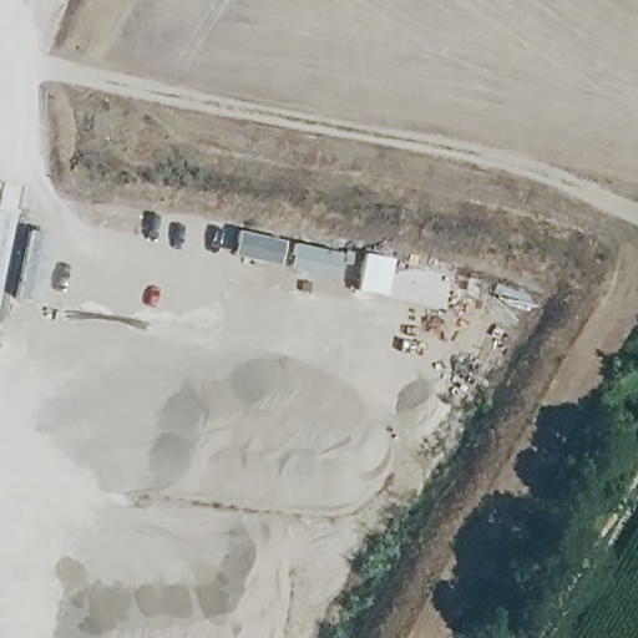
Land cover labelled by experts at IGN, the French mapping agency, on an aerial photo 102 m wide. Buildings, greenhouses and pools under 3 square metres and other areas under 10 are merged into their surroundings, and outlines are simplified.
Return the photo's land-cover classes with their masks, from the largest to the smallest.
<instances>
[{"label":"pervious surface","instance_id":"1","mask_svg":"<svg viewBox=\"0 0 638 638\"><path fill-rule=\"evenodd\" d=\"M85 0H0V638H317V628L321 621L339 623L341 606L336 596L344 591V586L349 588L361 583L356 571H361V566L379 546L376 531H384L386 526L384 518H379V511L384 506L411 508L421 496L434 469L451 456V451L459 444V436L464 431L461 401H471L474 391L481 386L501 384L503 361L511 359L516 344L526 339L536 326L548 294L543 292V287L533 282L528 272L503 269L501 254H488L479 259L454 254L449 262H439L426 259L411 244L396 242L379 254L396 259V272L431 267L434 272H439L441 282L451 284L446 307L426 312L424 307H411L406 299L366 292L361 287L366 257L376 254L384 247L381 242H366L364 247L346 244L341 247V254L354 252V264L346 267L341 282H331L319 272L297 269L294 264L287 267L257 257H239L234 249L239 244V227L227 224L219 214L167 212L157 219L155 212H145L142 217L135 207L127 204H90L62 197L50 179L47 120L40 115L42 82H67L75 87H92L100 92H112L132 100H150L209 115L279 125L299 132H319L344 140H361L411 152H426L434 157L464 160L491 169H503L513 177H526L548 184L573 199L588 202L596 209L621 217L626 222L638 219V202L618 197L608 187L593 184L563 169L548 167L546 162H538L528 155L483 147L479 142H464L454 137L366 122H344L339 117L321 112L239 102L222 95L197 92L184 85H167L160 80L132 77L112 70H95L80 62L55 57L50 47H62L67 42ZM638 513V476L631 483H626L618 508L601 526V536L606 538V543L613 546L628 518Z\"/></svg>","mask_w":638,"mask_h":638},{"label":"plowed land","instance_id":"2","mask_svg":"<svg viewBox=\"0 0 638 638\"><path fill-rule=\"evenodd\" d=\"M55 57L80 62L95 70H112L132 77L160 80L167 85H184L197 92L222 95L239 102L321 112L339 117L344 122H366L454 137L464 142H479L483 147L528 155L538 162H546L548 167L563 169L593 184L608 187L618 197L638 202V0H85L67 42L62 47H50Z\"/></svg>","mask_w":638,"mask_h":638},{"label":"herbaceous vegetation","instance_id":"3","mask_svg":"<svg viewBox=\"0 0 638 638\"><path fill-rule=\"evenodd\" d=\"M40 115L47 120L50 179L62 197L90 204H127L135 207L142 217L145 212H155L157 219L167 212L219 214L227 224L239 227L244 224V219H252L262 232L341 247L346 244V237L329 234V229H321L314 222L304 219L299 207L282 197L254 199L247 194L199 192L150 182L117 184L105 179H87V172L82 167L72 169L70 164V157L75 152H112L117 160L127 164L155 167L157 162H164L172 155L174 145H179L189 164L207 167L217 174L249 177L254 182H272L277 177L287 187L297 184L304 189L312 179H317L321 192H334L336 187H366L379 194L389 189L396 199L404 197L406 189H421L431 194V212L459 214V204L469 202L486 209H503L508 217L548 222L553 224L551 234L556 239H568L573 232H581L596 234L603 244H608L611 239L621 244V252L613 262V272H608L606 282L598 287L596 312L591 314L571 354L558 366V374L551 379V386L543 396L548 406H543L538 414V426L531 446L518 454L516 469L503 466L498 479L501 493L483 496L481 506L474 508V513L459 528L454 538V558L446 563L441 573L444 581L434 586V603H429L419 613L406 638H454V633L461 631H479L471 623V616L479 608L481 583L488 576L486 551L496 553L503 543H511L518 536L528 533L538 516H548L553 506L561 503V498L556 501L546 491L543 474L551 471V459L556 456V451L571 444L573 431L583 434L586 426L598 424V419L608 411V404H603V394L596 389L601 384L598 351H618L623 341L631 336V331L638 326V219L626 222L621 217L596 209L588 202L573 199L548 184L526 177H513L503 169H491L464 160L434 157L426 152H411L361 140H344L319 132H299L279 125L209 115L150 100H132L112 92H100L92 87H75L67 82H42Z\"/></svg>","mask_w":638,"mask_h":638},{"label":"brushwood","instance_id":"4","mask_svg":"<svg viewBox=\"0 0 638 638\"><path fill-rule=\"evenodd\" d=\"M70 164L72 169L82 167L87 172V179H105L117 184L150 182L199 192L247 194L254 199L282 197L299 207L304 219L314 222L321 229H329V234L346 237V244L364 247L366 242H381L384 247L376 254H379L396 242L411 244L426 259L439 262H449L454 254L479 259L488 254H501L503 269L528 272L533 282L543 287V292L548 294L536 326L526 339L516 344L511 359L503 361L501 384L481 386L474 391L471 401H461L464 431L459 436V444L451 451V456L434 469L421 496L424 518L409 533V543L401 546L399 563L386 573L374 606L354 618V638H406L419 613L429 603H434V586L444 581L441 573L446 563L454 558V538L459 528L474 513V508L481 506L483 496L501 493L498 479L503 466L516 469L518 454L531 446L538 426V414L543 406H548L543 396L551 386V379L558 374V366L571 354L591 314L596 312L598 287L606 282L608 272H613V262L621 252V244L611 239L608 244H603L596 234L581 232H573L568 239H556L551 234L553 224L548 222L508 217L503 209H486L469 202L459 204V214L431 212V194L421 189H406L404 197L396 199L389 189L379 194L366 187H336L334 192H321L317 179H312L304 189L297 184L287 187L277 177L272 182H254L249 177L217 174L207 167L189 164L179 145H174L172 155L164 162H157L155 167L127 164L117 160L112 152H75L70 157Z\"/></svg>","mask_w":638,"mask_h":638},{"label":"deciduous trees","instance_id":"5","mask_svg":"<svg viewBox=\"0 0 638 638\"><path fill-rule=\"evenodd\" d=\"M601 384L596 389L603 394V404H608V411L598 419V424L586 426L583 434L573 431L571 444L556 451V456L551 459V471L543 474L546 491L556 501L561 498V503L553 506L548 516H538L528 533L518 536L511 543H503L496 553L486 551L488 576L481 583L479 608L471 616V623L479 631H461L454 633V638H558L563 626H573L576 616L586 606V586L596 578V573L586 568L606 566L608 558L616 553L613 546L606 543V538L601 536V526L618 508L626 483H631L638 476V326L631 331V336L623 341L618 351H598ZM379 518H384L386 526L384 531H376L379 546L361 566V571H356L361 583L349 588L344 586V591L336 596L341 606L339 623L321 621L317 628V638H354V618L374 606L386 573L399 563L401 546L409 543V533L424 518L421 496L411 508L384 506L379 511Z\"/></svg>","mask_w":638,"mask_h":638},{"label":"impervious surface","instance_id":"6","mask_svg":"<svg viewBox=\"0 0 638 638\"><path fill-rule=\"evenodd\" d=\"M239 257H257L287 267L294 264L297 269L319 272L331 282H341L346 267L354 264V252L341 254V247L262 232L252 219H244V224L239 227V244L234 249ZM361 287L366 292L406 299L411 307H424L426 312L446 307L451 284L441 282L439 272H434L431 267L396 272V259L379 254H376L366 257Z\"/></svg>","mask_w":638,"mask_h":638},{"label":"agricultural land","instance_id":"7","mask_svg":"<svg viewBox=\"0 0 638 638\"><path fill-rule=\"evenodd\" d=\"M616 553L608 558L606 566L586 568L596 573V578L586 586V606L576 616L573 626H563L558 638H638V513L628 518L613 546Z\"/></svg>","mask_w":638,"mask_h":638}]
</instances>
